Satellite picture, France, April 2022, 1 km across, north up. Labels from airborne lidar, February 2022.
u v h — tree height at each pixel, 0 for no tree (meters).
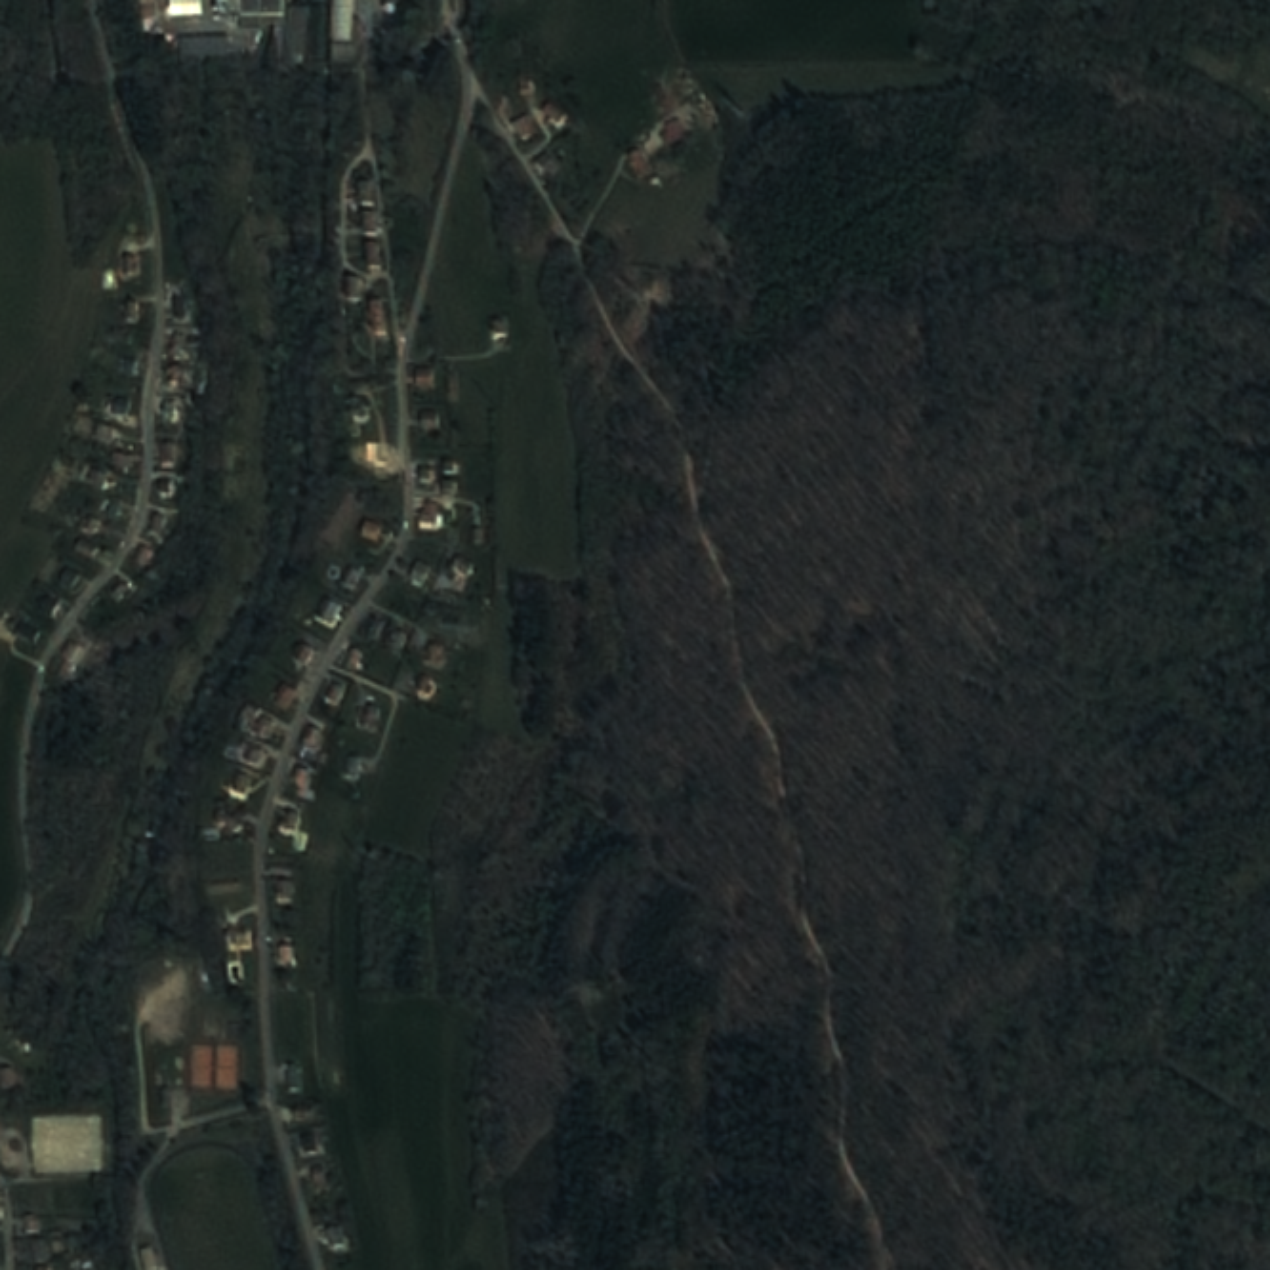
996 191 11
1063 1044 24
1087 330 21
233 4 0
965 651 26
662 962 27
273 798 0
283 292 21
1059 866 26
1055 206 10
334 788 0
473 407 0
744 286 20
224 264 9
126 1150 15
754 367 10
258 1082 0
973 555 21
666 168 0
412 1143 0
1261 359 23
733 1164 31
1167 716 11
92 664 0
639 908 32
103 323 0
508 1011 25
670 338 14
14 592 0
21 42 14
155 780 14
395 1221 0
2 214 0
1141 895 24
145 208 0
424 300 0
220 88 19
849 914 24
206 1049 0
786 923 26
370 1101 0
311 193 14
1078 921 24
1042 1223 23
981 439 22
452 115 0
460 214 0
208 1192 0
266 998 0
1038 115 13
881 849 27
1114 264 24
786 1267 28
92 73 23
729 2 0
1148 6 7
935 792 27
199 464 18
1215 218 17
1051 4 10
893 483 26
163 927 8
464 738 0
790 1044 21
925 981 29
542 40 0
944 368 23
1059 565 23
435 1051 0
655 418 28
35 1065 0
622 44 0
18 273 0
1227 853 26
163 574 17
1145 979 24
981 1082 26
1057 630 25
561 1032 19
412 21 17
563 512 0
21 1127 0
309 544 8
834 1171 24
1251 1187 24
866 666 24
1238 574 23
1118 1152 21
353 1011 0
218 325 14
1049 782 27
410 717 0
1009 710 27
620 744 26
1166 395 21
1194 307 10
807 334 10
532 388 0
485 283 0
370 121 0
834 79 0
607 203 0
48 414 0
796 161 17
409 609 0
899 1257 22
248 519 0
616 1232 25
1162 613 23
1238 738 16
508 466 0
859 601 26
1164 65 16
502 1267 0
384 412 0
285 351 13
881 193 14
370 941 12
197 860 14
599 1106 24
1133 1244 22
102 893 0
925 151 12
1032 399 23
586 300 22
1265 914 29
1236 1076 16
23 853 0
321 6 0
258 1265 0
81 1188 0
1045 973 25
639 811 28
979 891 24
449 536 0
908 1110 21
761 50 0
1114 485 23
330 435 10
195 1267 0
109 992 18
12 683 0
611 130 0
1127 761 26
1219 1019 22
